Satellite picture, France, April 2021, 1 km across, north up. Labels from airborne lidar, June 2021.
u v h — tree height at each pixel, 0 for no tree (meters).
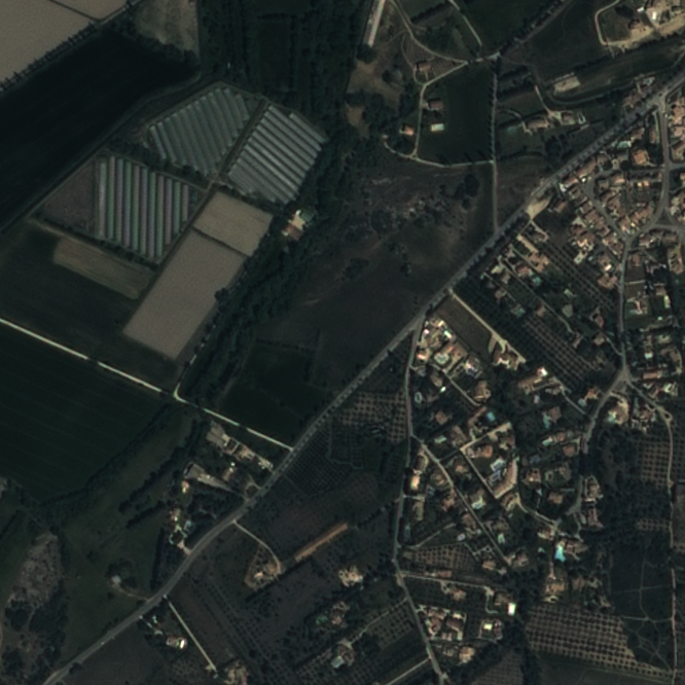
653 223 0
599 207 0
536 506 19
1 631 0
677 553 7
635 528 11
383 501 0
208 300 0
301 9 0
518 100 0
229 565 0
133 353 0
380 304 0
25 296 0
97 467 0
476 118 0
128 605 0
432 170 0
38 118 0
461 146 0
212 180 0
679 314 12
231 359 14
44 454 0
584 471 19
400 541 9
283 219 16
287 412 0
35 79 0
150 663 0
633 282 0
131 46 0
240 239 0
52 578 0
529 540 16
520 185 0
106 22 0
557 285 7
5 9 0
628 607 0
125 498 0
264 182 0
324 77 15
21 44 0
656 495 8
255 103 0
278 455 7
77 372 0
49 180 0
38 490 0
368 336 0
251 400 0
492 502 5
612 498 10
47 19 0
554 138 8
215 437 0
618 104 10
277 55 0
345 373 0
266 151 0
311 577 0
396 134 15
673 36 6
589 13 0
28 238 0
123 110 0
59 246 0
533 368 11
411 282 0
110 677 0
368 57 19
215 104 0
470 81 0
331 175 20
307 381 12
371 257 0
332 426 7
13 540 0
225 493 11
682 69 10
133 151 14
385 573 11
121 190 0
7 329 0
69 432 0
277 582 8
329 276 0
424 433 12
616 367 6
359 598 12
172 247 0
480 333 0
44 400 0
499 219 0
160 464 0
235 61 8
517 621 9
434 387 10
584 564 10
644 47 7
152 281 0
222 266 0
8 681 0
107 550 0
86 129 0
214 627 0
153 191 0
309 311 0
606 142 8
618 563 0
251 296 16
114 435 0
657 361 9
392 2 0
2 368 0
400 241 0
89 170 0
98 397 0
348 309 0
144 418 0
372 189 0
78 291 0
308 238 12
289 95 9
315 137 0
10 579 0
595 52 0
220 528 0
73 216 0
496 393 8
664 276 13
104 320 0
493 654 11
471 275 11
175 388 0
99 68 0
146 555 0
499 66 9
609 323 9
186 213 0
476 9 0
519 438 10
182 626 7
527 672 15
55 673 0
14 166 0
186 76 0
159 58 0
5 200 0
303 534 0
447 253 0
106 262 0
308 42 0
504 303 10
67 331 0
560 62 0
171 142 0
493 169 0
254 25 13
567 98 0
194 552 0
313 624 9
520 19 0
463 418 10
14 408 0
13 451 0
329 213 16
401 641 0
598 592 7
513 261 10
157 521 0
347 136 15
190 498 0
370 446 0
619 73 0
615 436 10
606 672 0
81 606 0
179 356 0
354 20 13
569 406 9
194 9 0
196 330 0
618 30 0
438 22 0
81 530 0
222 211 0
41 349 0
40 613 5
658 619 0
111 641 0
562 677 0
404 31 0
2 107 0
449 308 0
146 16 0
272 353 0
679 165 0
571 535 10
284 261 16
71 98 0
